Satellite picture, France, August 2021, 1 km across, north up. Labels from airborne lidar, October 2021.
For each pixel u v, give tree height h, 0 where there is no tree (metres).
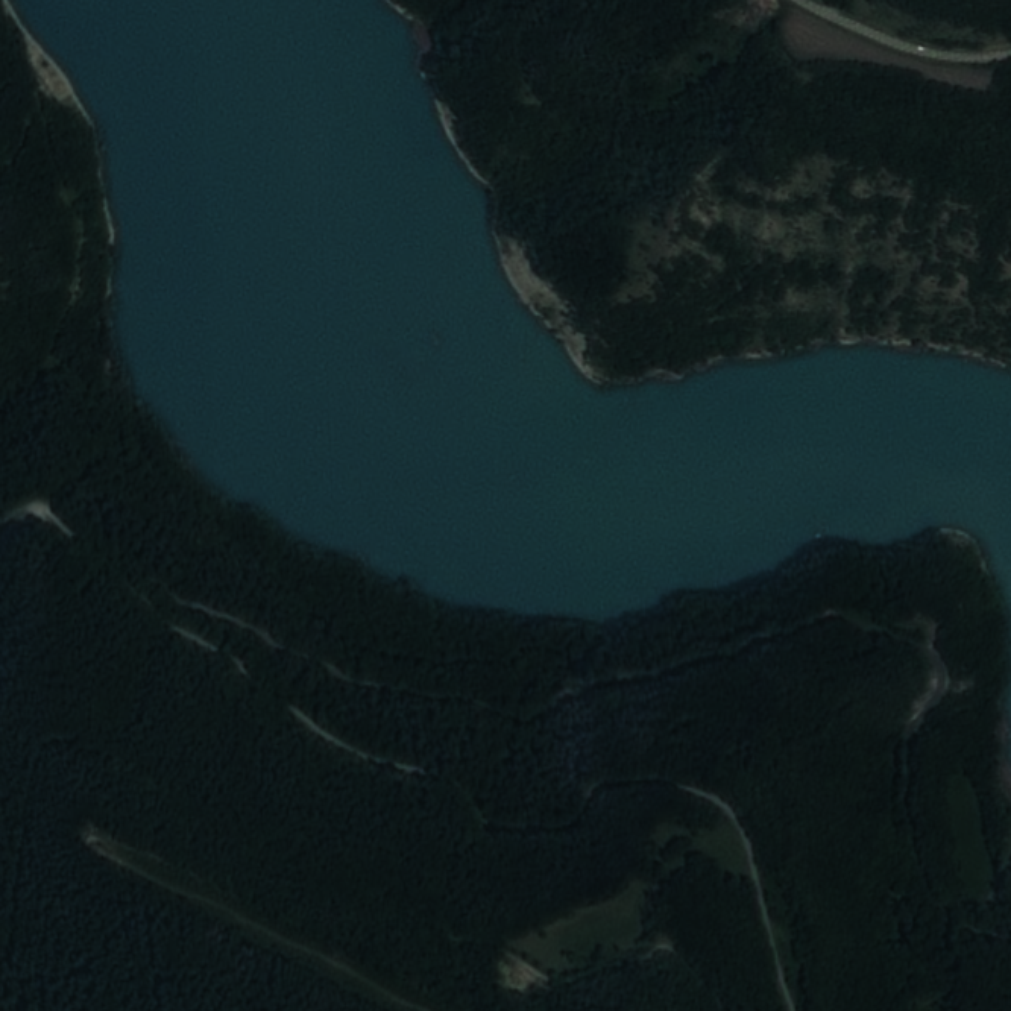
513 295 0
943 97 16
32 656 15
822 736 17
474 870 23
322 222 0
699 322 8
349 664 18
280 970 28
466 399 0
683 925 16
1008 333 7
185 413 0
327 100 0
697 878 21
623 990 10
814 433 0
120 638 30
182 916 23
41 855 23
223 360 0
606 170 10
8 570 15
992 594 12
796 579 16
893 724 10
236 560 20
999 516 0
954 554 7
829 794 17
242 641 17
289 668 29
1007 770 0
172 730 26
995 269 7
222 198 0
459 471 0
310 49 0
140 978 23
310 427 0
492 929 22
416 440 0
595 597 0
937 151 15
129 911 25
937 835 28
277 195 0
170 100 0
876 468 0
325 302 0
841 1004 18
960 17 10
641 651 15
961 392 0
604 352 11
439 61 13
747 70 13
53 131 16
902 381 0
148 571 14
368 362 0
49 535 18
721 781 16
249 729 22
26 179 15
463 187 0
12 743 21
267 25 0
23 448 24
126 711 19
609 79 16
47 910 24
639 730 16
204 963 23
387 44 0
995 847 13
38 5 0
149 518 26
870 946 24
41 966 25
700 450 0
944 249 7
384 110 0
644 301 8
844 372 0
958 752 25
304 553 22
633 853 15
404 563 0
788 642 18
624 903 0
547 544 0
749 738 22
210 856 22
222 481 0
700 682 19
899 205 8
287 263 0
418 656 13
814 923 15
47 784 18
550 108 11
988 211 6
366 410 0
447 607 18
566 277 10
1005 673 22
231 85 0
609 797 14
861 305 8
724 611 17
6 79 13
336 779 23
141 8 0
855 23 0
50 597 20
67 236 12
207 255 0
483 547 0
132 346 0
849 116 16
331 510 0
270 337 0
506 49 16
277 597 26
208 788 24
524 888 22
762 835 13
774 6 0
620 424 0
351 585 27
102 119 0
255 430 0
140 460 21
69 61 0
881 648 20
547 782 22
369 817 26
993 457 0
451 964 13
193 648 17
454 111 17
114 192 0
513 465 0
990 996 36
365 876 22
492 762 26
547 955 0
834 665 23
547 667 24
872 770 25
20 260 11
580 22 16
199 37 0
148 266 0
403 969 28
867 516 0
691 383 0
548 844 23
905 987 18
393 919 12
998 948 34
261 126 0
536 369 0
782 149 13
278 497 0
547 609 0
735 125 15
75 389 14
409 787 18
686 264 12
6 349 16
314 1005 27
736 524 0
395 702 19
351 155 0
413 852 26
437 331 0
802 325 6
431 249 0
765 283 10
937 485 0
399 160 0
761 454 0
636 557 0
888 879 25
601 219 9
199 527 27
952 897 28
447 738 23
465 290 0
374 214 0
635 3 14
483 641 24
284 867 21
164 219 0
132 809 24
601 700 15
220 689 23
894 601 10
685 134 6
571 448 0
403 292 0
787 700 15
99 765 30
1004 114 10
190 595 17
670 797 18
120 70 0
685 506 0
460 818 24
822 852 20
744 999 16
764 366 0
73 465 19
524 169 11
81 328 17
